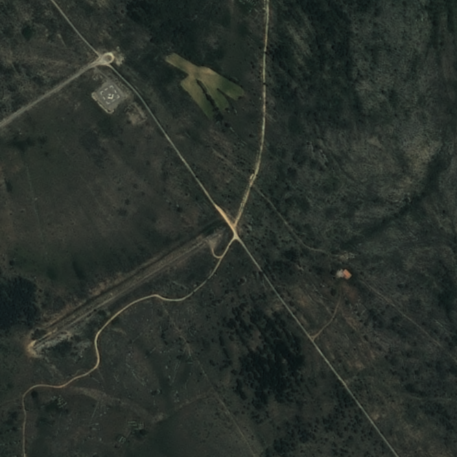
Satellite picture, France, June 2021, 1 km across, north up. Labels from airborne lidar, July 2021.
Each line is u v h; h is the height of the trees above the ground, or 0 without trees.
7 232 0
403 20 0
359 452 0
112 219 0
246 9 0
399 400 0
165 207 0
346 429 6
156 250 0
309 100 0
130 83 0
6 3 0
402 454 0
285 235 0
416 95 0
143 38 0
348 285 0
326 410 0
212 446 0
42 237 0
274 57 10
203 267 0
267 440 0
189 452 0
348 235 0
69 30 0
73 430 0
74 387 0
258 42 0
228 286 0
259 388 8
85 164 0
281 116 0
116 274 0
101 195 0
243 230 0
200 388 0
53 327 0
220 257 0
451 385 0
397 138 0
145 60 0
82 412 0
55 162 0
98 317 0
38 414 0
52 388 0
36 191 0
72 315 0
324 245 0
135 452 0
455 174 0
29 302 6
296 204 0
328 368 0
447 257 0
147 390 0
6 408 0
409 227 0
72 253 0
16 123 0
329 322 0
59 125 0
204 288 0
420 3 0
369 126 0
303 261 0
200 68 0
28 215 0
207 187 0
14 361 0
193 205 0
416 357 0
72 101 0
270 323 11
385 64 0
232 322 9
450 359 0
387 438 0
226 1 0
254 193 0
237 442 0
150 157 0
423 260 0
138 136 0
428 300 0
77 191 0
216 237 0
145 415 0
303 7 5
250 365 7
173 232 0
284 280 0
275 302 0
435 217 0
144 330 0
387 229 0
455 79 0
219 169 0
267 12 0
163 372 0
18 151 0
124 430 0
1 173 0
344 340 0
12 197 0
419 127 0
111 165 0
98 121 0
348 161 0
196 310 0
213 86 0
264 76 0
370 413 0
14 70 0
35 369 0
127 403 0
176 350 0
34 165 0
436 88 0
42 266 0
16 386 0
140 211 0
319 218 0
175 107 0
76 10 0
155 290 0
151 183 0
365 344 0
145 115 0
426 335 0
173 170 0
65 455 0
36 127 0
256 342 0
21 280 11
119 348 0
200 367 0
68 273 0
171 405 0
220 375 0
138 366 0
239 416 0
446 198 0
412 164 0
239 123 0
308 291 0
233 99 0
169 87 0
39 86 0
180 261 0
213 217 0
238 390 8
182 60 0
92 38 0
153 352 0
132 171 0
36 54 0
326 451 0
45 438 0
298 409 0
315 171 0
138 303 0
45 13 0
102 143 0
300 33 0
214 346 0
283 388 9
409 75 0
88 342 0
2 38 0
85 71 0
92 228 0
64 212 0
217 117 7
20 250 0
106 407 0
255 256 0
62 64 0
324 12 7
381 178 0
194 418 0
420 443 0
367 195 0
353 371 0
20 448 0
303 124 0
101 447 0
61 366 0
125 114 0
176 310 0
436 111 0
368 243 0
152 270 0
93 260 0
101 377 0
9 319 8
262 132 0
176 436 0
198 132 0
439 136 0
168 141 0
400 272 0
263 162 0
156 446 0
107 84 0
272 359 6
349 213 0
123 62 0
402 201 0
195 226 0
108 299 0
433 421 0
